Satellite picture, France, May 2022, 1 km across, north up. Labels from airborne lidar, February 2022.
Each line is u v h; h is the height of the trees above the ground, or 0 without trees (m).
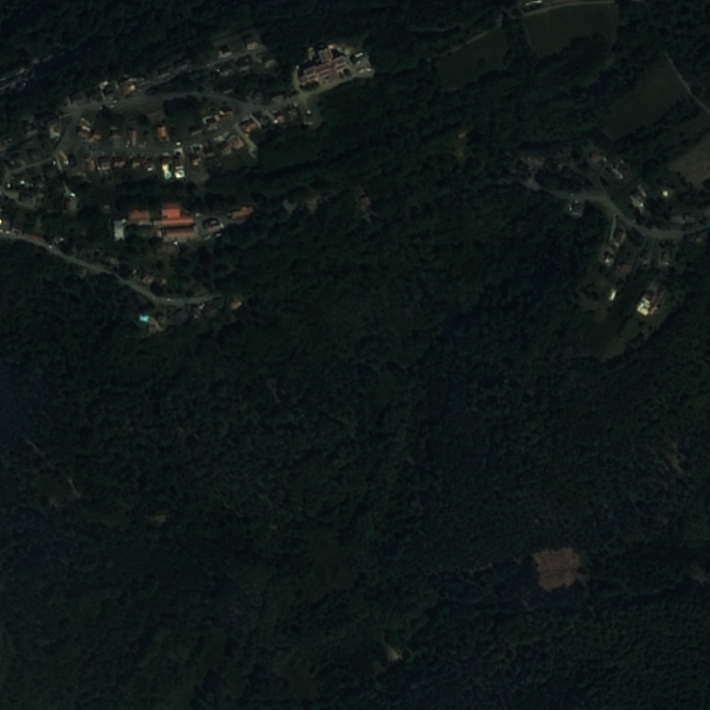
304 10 27
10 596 11
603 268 6
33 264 21
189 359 26
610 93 30
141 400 28
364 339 22
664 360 26
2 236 0
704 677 25
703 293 24
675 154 7
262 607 23
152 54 27
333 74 0
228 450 26
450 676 24
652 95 0
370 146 21
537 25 0
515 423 29
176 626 26
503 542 23
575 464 23
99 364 9
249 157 0
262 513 28
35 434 26
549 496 21
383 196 19
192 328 9
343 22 23
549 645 23
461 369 11
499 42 0
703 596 19
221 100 0
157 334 7
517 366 29
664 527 9
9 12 6
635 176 0
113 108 0
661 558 16
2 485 28
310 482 32
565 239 23
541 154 27
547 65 20
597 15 0
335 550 0
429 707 23
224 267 11
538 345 16
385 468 29
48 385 33
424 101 14
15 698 30
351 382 21
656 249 0
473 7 22
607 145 20
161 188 7
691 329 29
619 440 29
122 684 24
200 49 18
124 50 24
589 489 25
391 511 13
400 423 24
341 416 10
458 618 23
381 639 18
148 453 28
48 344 28
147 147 0
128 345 22
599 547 21
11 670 24
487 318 33
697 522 27
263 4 31
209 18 16
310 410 24
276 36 22
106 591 27
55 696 29
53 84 23
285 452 33
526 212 27
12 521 42
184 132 0
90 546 30
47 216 16
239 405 27
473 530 23
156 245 15
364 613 22
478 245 22
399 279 8
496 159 29
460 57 0
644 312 0
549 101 28
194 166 0
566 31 0
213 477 30
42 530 35
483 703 27
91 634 15
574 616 24
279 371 26
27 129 0
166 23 11
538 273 9
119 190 7
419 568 18
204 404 31
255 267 23
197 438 31
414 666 12
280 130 11
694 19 34
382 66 15
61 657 27
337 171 19
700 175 0
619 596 15
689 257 18
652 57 12
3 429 28
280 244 26
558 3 0
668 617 23
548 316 27
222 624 29
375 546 27
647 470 33
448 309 10
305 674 0
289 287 19
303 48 12
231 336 27
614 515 24
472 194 25
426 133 16
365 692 24
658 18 15
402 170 23
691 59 15
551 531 20
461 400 19
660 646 22
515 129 25
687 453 37
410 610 23
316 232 24
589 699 27
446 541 19
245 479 32
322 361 17
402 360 0
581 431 17
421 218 36
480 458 20
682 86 0
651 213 24
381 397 0
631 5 20
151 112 0
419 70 17
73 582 11
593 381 17
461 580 25
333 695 15
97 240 21
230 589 34
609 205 0
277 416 27
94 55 22
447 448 20
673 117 6
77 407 18
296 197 18
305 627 9
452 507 18
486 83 23
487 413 15
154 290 16
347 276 13
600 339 0
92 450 30
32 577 33
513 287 30
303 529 27
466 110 20
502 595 29
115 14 23
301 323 20
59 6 28
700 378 29
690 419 29
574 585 0
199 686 0
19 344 12
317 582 0
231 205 13
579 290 6
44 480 0
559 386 15
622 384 15
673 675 24
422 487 20
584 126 17
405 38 16
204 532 28
